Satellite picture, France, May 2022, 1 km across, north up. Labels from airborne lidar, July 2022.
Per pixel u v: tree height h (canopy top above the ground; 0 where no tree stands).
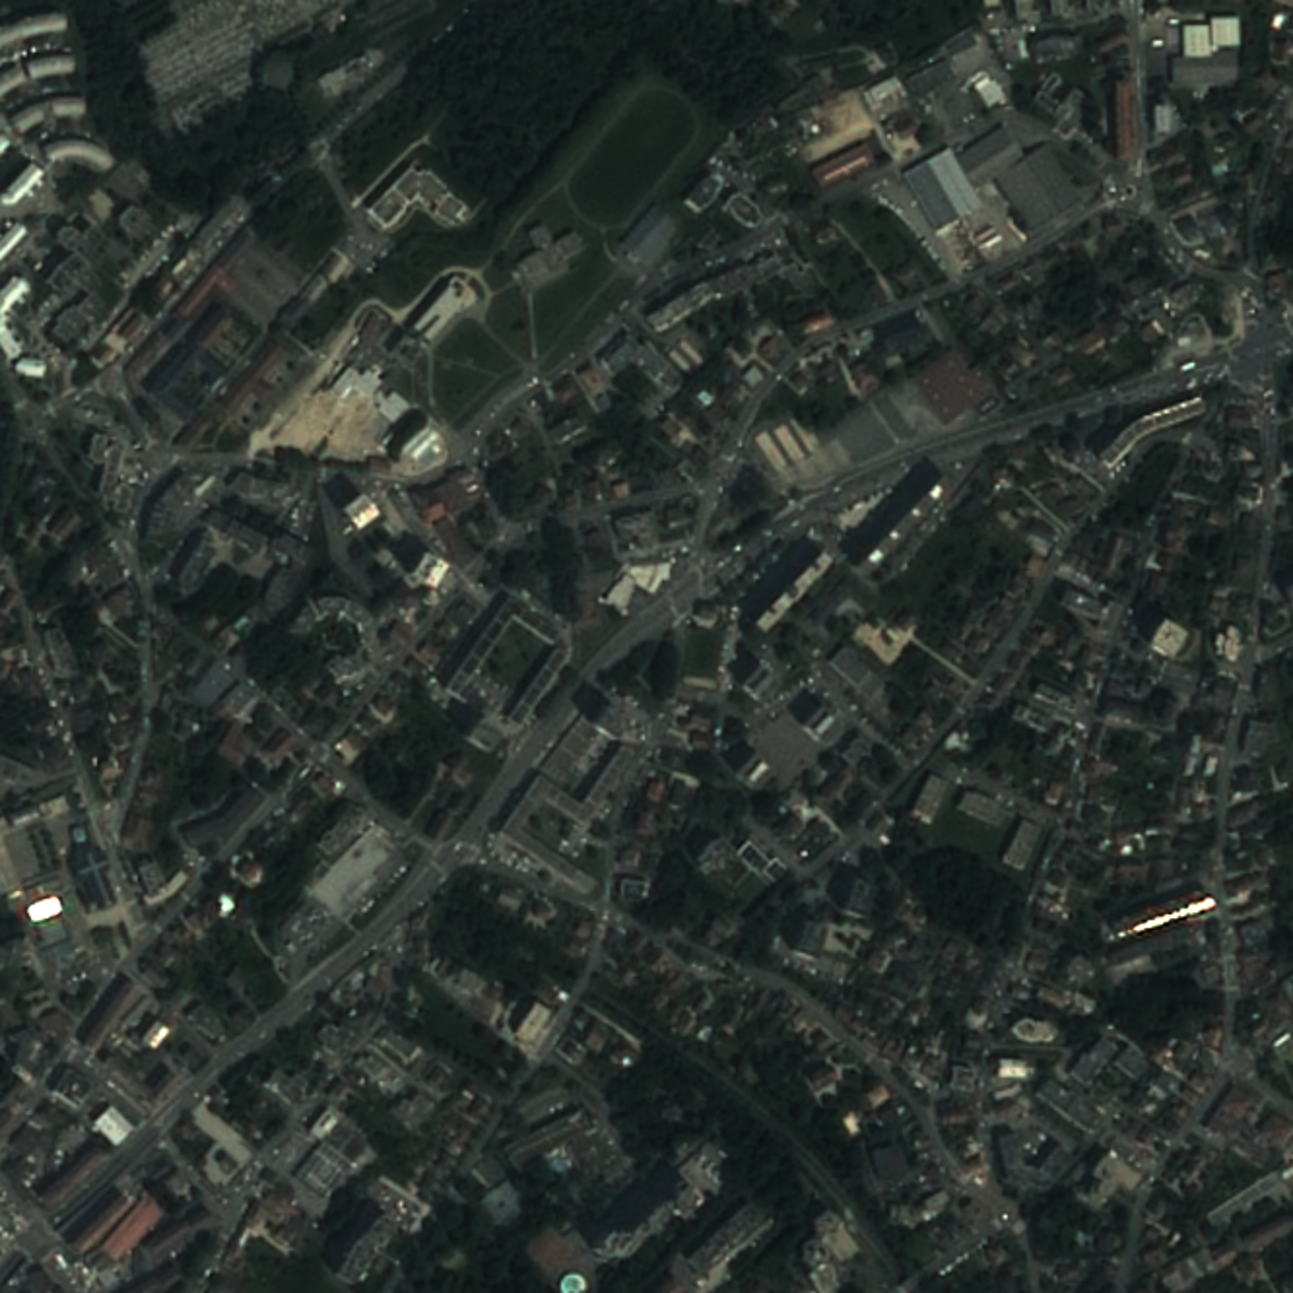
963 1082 0
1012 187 0
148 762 7
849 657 0
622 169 0
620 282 0
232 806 0
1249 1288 6
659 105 0
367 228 0
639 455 8
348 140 10
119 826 0
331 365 0
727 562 0
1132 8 0
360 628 0
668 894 18
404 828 0
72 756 0
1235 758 0
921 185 0
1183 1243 7
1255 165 11
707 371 12
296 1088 0
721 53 9
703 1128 16
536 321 0
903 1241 16
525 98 26
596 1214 16
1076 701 0
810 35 0
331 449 0
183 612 15
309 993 0
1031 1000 8
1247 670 0
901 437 0
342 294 11
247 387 0
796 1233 18
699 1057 16
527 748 0
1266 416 0
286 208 15
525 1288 22
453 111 11
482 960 18
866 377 0
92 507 12
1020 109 7
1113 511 10
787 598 0
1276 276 0
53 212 0
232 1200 0
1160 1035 8
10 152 6
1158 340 9
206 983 12
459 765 0
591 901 0
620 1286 22
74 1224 0
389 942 0
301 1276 0
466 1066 13
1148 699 7
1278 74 7
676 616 0
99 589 7
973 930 14
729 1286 5
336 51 0
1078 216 0
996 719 16
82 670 7
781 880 7
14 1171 0
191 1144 7
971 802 0
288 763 10
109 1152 12
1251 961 0
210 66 0
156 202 8
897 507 0
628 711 0
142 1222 0
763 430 0
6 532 15
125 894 0
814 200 10
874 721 9
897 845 7
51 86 7
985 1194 0
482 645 0
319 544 0
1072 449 15
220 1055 0
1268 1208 9
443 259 0
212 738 12
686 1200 0
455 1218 19
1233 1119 0
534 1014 0
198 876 0
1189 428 7
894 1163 0
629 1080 14
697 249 8
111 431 0
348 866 0
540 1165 20
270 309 0
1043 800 9
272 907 14
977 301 0
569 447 0
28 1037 0
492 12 20
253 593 12
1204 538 8
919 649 13
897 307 0
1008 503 0
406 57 11
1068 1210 17
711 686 0
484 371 0
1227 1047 0
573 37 6
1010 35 0
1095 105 11
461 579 0
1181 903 0
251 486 0
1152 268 12
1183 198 6
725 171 0
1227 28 0
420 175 0
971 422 0
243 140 13
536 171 10
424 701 12
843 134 0
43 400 9
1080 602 0
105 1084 0
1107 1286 10
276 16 0
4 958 0
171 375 0
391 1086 0
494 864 0
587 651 0
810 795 8
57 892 0
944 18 0
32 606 14
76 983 0
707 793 14
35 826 10
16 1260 0
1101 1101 8
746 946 15
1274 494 0
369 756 12
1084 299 8
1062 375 0
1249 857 5
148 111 10
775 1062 13
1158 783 6
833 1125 14
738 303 7
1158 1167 0
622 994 7
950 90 0
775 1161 21
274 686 9
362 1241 0
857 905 0
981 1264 0
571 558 16
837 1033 0
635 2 9
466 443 0
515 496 17
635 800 6
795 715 0
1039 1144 0
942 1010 7
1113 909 8
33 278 0
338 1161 0
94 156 0
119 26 30
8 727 9
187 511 0
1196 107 9
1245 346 0
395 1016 15
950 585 8
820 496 0
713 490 0
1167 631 0
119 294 0
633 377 6
